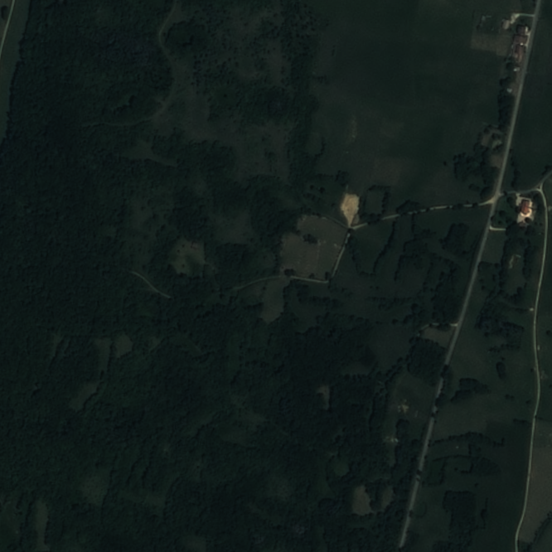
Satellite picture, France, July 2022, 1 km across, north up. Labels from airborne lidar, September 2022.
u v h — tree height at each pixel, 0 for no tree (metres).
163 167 15
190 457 8
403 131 0
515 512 0
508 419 0
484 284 9
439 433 0
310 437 19
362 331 12
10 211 19
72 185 18
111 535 9
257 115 7
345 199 0
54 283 20
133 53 18
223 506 11
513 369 0
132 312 14
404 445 20
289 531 10
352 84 0
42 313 20
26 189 14
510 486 0
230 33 7
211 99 9
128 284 9
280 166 0
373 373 7
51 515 11
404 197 0
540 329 0
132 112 16
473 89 0
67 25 7
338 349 10
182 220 11
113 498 9
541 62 0
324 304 12
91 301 15
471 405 0
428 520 0
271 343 11
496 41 0
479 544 0
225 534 18
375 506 18
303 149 9
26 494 10
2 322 16
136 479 15
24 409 14
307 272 0
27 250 17
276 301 0
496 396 0
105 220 14
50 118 15
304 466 18
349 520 17
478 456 10
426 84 0
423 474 17
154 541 15
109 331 14
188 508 12
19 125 18
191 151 12
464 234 15
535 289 0
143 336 9
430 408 0
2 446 16
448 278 11
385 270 0
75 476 10
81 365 19
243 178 0
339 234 0
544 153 0
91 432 16
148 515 15
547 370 0
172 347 11
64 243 11
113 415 19
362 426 16
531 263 18
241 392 7
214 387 10
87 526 8
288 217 9
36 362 14
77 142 18
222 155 14
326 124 0
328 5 0
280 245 7
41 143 15
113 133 14
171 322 16
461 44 0
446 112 0
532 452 0
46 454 12
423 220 0
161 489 11
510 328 24
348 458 8
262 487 7
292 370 15
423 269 10
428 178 0
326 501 13
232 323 16
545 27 0
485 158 10
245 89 8
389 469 19
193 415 15
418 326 10
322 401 21
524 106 0
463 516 11
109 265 11
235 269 9
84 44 15
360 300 0
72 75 11
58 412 17
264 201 9
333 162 0
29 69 15
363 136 0
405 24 0
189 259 0
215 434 12
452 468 0
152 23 7
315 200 12
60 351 14
